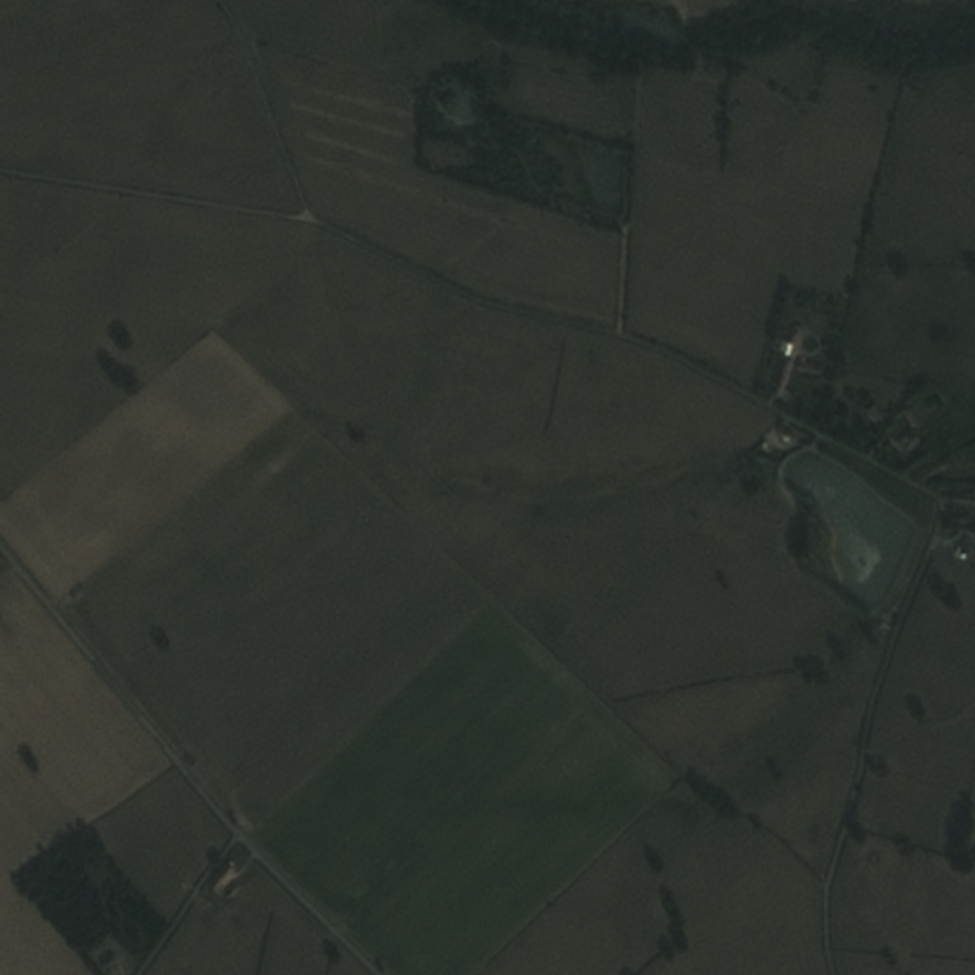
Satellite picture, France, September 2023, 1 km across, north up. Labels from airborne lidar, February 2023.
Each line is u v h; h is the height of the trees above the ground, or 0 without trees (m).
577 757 0
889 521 0
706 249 0
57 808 0
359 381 0
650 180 0
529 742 0
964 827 19
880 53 13
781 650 0
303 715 0
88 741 0
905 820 0
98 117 0
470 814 0
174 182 0
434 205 0
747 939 0
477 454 0
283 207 0
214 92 0
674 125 0
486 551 0
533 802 0
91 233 0
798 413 13
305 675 0
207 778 0
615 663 0
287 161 0
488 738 0
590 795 0
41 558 0
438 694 0
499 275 0
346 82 0
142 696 0
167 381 0
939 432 0
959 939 0
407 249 0
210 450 0
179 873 0
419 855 0
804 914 0
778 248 0
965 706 0
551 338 0
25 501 0
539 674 0
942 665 0
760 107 0
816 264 0
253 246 0
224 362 0
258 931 0
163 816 0
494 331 0
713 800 18
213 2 0
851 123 0
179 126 0
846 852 0
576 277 0
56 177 0
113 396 0
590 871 0
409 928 0
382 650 0
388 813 0
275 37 0
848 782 0
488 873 0
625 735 0
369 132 0
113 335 14
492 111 10
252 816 0
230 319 0
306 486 0
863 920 0
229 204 0
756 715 0
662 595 0
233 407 0
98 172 0
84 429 0
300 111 0
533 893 0
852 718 0
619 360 0
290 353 0
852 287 13
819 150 0
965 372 0
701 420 0
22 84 0
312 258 0
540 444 0
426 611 0
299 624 0
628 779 0
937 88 0
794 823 0
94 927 6
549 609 0
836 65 0
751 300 0
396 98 0
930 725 0
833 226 0
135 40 0
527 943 0
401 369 0
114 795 0
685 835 0
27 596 0
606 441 0
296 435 0
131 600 0
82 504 0
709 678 0
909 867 0
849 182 0
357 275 0
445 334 0
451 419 0
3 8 0
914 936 0
